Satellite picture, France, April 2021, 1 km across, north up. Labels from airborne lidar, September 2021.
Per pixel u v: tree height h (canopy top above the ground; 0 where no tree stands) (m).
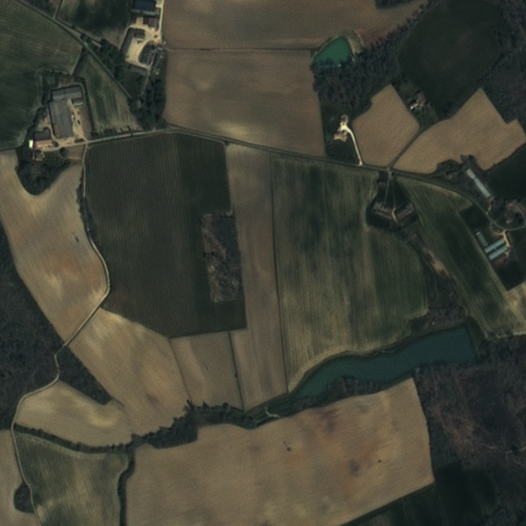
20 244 0
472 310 0
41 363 14
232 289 19
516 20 18
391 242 0
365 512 0
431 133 0
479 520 0
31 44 0
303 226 0
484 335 0
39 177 0
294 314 0
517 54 18
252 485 0
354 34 0
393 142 0
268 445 0
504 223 0
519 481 0
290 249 0
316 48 0
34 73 0
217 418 0
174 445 14
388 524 0
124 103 0
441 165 6
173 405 0
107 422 0
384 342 0
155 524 0
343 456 0
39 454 0
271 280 0
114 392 0
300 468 0
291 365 0
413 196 0
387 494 0
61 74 6
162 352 0
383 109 0
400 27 0
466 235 0
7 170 0
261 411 0
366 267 0
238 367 0
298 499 0
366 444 0
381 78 20
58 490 0
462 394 17
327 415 0
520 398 18
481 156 0
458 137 0
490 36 0
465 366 8
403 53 0
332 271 0
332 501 0
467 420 16
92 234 10
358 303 0
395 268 0
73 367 18
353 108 15
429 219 0
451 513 0
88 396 6
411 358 0
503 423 0
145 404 0
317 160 0
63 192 0
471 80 0
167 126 18
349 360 0
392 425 0
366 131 0
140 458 0
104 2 0
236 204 0
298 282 0
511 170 0
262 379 0
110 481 0
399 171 0
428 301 0
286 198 0
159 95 7
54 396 0
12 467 0
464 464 8
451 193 0
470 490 0
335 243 0
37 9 14
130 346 0
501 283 0
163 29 0
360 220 0
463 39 0
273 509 0
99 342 0
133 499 0
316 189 0
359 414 0
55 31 0
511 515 18
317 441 0
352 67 20
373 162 0
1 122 0
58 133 0
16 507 6
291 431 0
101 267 0
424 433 0
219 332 0
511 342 24
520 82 10
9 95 0
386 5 19
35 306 7
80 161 0
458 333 0
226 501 0
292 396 0
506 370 10
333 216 0
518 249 0
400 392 0
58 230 0
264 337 0
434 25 0
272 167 0
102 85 0
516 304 0
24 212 0
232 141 0
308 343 0
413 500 0
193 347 0
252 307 0
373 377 0
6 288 0
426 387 13
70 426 0
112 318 0
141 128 18
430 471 0
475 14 0
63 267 0
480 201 9
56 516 0
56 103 0
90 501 0
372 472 0
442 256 0
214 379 0
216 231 18
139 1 0
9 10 0
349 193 0
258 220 0
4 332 15
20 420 0
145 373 0
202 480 0
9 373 10
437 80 0
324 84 20
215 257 13
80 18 0
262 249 0
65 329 0
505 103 9
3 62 0
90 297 0
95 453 0
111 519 0
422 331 0
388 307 0
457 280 0
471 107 0
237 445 0
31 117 0
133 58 0
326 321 0
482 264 0
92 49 8
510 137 0
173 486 0
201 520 0
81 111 0
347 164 0
